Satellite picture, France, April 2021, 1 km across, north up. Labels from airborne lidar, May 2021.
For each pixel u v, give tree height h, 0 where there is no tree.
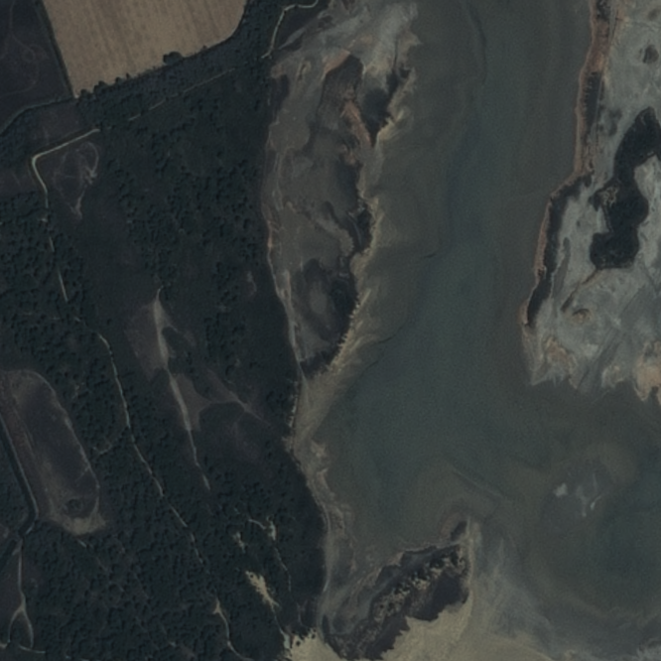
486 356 0
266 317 0
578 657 0
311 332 0
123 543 7
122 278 0
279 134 0
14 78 0
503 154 0
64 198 0
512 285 0
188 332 0
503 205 0
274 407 7
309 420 0
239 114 0
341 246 0
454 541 0
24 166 0
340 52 0
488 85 0
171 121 0
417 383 0
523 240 0
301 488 0
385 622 0
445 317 0
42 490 0
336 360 0
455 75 0
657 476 0
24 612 0
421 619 0
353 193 0
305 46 0
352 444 0
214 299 0
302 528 0
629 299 0
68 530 0
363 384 0
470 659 0
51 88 0
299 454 0
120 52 0
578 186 0
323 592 0
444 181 0
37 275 8
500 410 0
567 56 0
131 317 0
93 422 8
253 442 0
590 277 0
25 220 7
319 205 0
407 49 0
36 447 0
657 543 0
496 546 0
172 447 8
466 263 0
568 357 0
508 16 0
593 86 0
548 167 0
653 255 0
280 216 0
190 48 0
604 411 0
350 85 0
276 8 8
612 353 0
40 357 8
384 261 0
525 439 0
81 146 0
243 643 8
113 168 8
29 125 6
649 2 0
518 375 0
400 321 0
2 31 0
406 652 0
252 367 6
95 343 8
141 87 8
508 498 0
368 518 0
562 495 0
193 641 9
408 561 0
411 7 0
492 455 0
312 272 0
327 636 0
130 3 0
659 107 0
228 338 6
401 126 0
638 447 0
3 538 0
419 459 0
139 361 0
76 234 0
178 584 9
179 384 0
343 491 0
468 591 0
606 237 0
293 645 0
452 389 0
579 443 0
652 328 0
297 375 0
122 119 8
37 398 0
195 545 7
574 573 0
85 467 0
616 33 0
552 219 0
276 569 8
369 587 0
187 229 7
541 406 0
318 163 0
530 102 0
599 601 0
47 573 7
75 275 9
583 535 0
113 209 0
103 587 8
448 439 0
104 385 9
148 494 8
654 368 0
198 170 0
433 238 0
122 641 9
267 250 0
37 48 0
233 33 0
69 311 9
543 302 0
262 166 0
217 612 0
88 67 0
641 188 0
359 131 0
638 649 0
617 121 0
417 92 0
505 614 0
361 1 0
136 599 7
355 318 0
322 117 0
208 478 0
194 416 0
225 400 0
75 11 0
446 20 0
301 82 0
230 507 7
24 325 9
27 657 0
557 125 0
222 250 0
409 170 0
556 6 0
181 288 0
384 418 0
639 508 0
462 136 0
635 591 0
